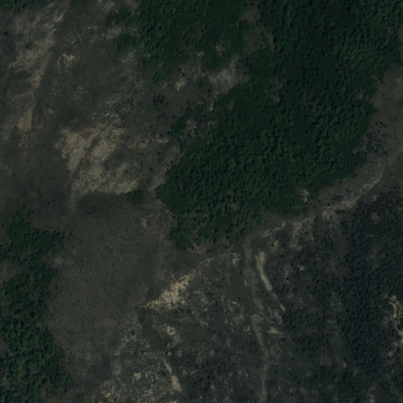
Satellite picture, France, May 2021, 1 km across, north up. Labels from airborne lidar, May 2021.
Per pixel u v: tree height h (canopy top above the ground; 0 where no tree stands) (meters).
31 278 20
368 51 13
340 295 16
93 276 0
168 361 0
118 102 0
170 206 8
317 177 9
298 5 18
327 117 11
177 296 0
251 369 0
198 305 0
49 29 0
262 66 15
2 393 6
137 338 8
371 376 9
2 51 0
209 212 7
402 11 10
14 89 0
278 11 20
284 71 14
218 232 16
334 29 25
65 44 0
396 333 23
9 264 0
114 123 0
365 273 15
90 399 0
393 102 0
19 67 0
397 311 9
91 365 0
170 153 0
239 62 10
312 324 12
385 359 11
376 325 12
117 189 0
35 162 0
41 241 9
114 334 0
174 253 0
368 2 18
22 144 0
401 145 0
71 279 0
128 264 0
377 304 16
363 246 14
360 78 8
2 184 0
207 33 9
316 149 11
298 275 12
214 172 8
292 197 7
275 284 10
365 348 18
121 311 0
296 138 13
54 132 0
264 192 13
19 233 10
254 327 0
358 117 16
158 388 0
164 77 11
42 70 0
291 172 8
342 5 13
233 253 0
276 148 26
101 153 0
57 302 0
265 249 0
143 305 0
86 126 0
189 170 24
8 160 0
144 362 7
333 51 15
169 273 0
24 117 0
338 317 13
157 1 22
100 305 0
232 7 17
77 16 0
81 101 0
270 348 0
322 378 11
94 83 0
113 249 0
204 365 12
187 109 8
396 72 0
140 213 0
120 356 0
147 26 17
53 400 0
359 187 0
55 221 0
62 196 0
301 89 14
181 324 0
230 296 0
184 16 13
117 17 9
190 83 0
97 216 0
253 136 17
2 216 0
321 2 14
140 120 0
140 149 0
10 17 0
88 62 0
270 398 11
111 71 0
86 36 0
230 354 9
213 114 11
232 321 0
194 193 10
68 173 0
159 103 18
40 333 8
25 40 0
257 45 8
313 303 6
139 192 11
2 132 0
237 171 13
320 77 9
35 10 0
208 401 0
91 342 0
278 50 16
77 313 0
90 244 0
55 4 0
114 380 0
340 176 10
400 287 14
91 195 0
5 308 6
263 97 14
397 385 11
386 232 15
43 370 6
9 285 14
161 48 18
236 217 11
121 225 0
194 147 10
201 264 0
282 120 18
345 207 0
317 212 0
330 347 10
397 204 8
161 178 0
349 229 13
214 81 0
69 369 0
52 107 0
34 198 0
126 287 0
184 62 8
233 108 7
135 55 7
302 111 13
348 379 34
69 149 0
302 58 15
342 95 15
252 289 0
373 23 13
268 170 23
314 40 13
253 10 0
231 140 14
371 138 7
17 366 17
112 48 0
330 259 11
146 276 0
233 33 16
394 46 10
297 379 12
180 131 8
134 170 0
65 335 0
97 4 0
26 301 8
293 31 26
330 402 8
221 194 21
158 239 0
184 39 12
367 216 9
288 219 0
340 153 12
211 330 13
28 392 12
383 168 0
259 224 6
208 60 6
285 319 14
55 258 0
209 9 15
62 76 0
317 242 10
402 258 12
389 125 0
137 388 0
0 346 0
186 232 6
